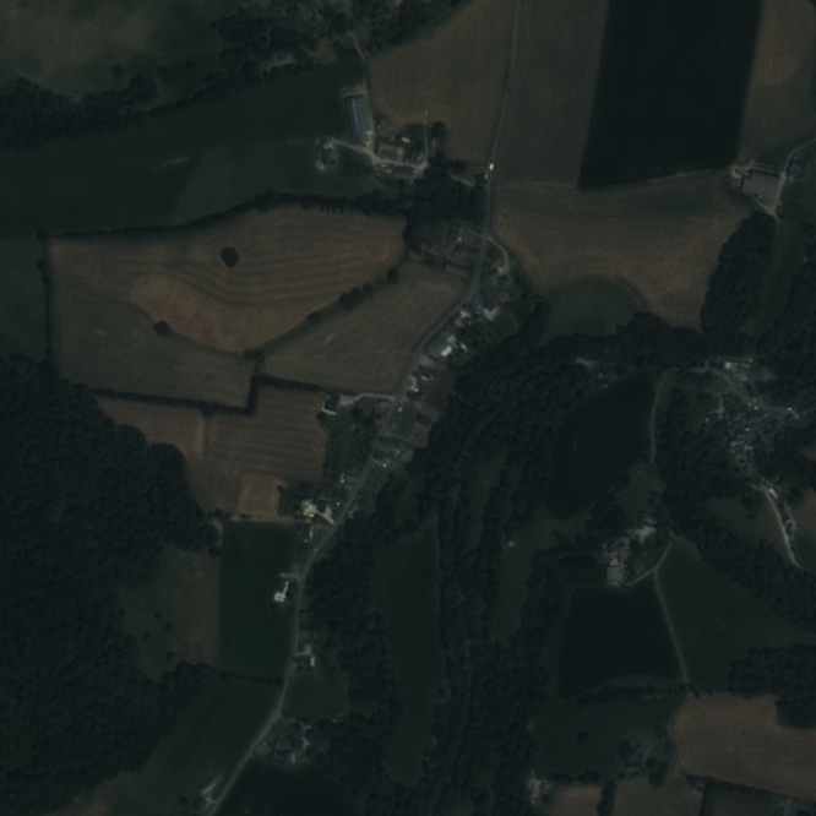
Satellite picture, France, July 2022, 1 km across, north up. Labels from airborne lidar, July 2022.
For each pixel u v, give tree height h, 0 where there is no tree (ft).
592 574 0
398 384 0
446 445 88
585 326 0
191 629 0
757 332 0
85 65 0
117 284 0
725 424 38
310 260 0
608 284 0
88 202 0
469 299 0
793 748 0
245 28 46
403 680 0
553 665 0
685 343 84
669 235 0
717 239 0
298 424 0
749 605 0
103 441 70
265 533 0
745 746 0
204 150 0
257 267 0
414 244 53
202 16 0
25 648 85
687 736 0
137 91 44
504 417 73
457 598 59
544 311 74
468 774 74
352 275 0
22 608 100
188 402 28
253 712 0
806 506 0
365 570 108
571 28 0
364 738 136
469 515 48
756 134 0
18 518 62
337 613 84
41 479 106
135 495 78
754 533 0
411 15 39
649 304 0
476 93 0
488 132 0
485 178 45
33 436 94
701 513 53
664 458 72
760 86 0
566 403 70
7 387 99
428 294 0
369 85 0
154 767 0
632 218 0
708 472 55
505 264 0
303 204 40
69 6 0
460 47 0
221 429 0
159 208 0
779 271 0
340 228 0
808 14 0
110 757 79
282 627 0
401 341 0
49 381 109
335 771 61
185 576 0
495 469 0
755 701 0
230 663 0
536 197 0
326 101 0
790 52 0
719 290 80
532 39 0
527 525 40
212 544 52
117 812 0
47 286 27
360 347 0
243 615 0
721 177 0
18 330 0
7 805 79
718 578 0
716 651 0
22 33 0
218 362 0
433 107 0
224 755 0
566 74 0
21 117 80
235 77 81
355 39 0
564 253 0
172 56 0
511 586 0
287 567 0
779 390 82
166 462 74
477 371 55
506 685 94
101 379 0
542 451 72
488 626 36
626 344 92
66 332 0
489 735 51
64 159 0
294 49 52
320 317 32
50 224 0
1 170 0
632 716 0
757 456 22
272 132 0
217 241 0
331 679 0
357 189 0
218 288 0
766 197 0
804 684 65
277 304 0
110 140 0
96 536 60
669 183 0
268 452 0
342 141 0
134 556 72
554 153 0
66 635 58
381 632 57
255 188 0
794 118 0
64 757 85
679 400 63
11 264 0
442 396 0
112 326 0
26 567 104
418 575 0
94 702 81
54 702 76
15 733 30
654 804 0
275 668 0
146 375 0
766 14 0
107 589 73
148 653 0
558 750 0
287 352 0
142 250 0
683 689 35
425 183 55
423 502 69
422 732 0
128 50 0
